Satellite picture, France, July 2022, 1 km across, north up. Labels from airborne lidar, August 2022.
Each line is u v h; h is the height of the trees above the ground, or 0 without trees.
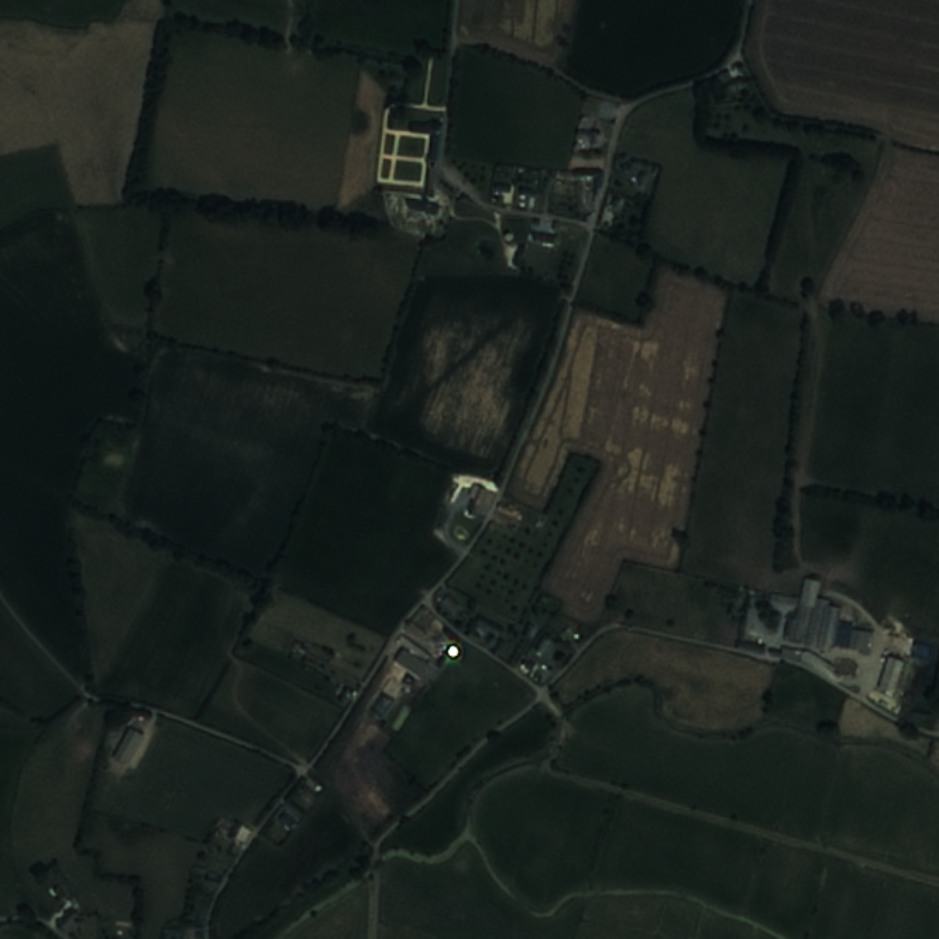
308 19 8
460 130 0
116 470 0
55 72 0
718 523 0
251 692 0
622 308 0
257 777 0
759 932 0
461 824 0
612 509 0
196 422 0
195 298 0
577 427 0
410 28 0
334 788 0
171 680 0
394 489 0
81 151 0
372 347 0
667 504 0
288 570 0
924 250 0
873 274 0
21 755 0
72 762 0
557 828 0
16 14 0
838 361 0
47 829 0
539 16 0
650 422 0
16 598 0
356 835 0
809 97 0
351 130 0
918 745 0
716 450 0
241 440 0
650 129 0
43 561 0
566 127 0
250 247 0
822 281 0
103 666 0
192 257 0
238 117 0
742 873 0
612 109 0
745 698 0
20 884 0
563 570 0
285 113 0
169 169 0
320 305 0
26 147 0
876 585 0
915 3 0
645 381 0
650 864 0
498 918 0
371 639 0
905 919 0
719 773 0
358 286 0
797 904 0
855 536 0
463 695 0
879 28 0
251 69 0
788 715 0
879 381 0
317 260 0
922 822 0
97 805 0
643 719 0
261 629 0
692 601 0
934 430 0
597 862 0
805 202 0
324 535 0
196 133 0
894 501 13
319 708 0
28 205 0
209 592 0
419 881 0
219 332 0
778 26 0
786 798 0
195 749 0
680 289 0
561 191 0
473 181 6
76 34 0
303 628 0
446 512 0
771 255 10
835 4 0
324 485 0
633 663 0
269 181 0
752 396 0
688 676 0
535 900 0
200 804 0
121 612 0
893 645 0
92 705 9
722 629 0
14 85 0
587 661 0
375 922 0
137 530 6
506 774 0
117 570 0
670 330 0
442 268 0
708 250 0
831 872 0
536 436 0
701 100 14
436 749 0
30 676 0
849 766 0
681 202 0
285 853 0
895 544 0
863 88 0
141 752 0
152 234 0
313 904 0
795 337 0
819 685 0
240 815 0
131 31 0
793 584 0
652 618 0
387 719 0
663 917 0
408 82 8
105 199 0
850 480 0
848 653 0
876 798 0
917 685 0
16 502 0
